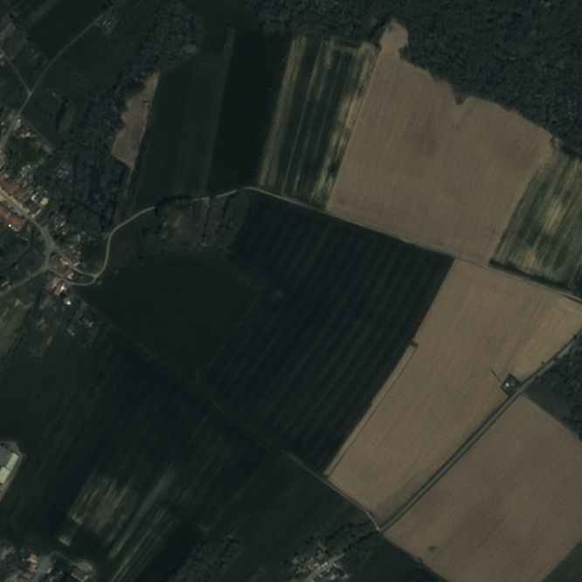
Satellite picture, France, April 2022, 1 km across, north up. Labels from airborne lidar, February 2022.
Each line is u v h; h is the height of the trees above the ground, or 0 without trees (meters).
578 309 0
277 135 0
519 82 7
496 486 0
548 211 0
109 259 0
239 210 17
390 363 0
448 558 0
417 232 0
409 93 0
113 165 17
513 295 0
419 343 0
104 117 18
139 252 0
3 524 0
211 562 24
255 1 12
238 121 0
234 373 0
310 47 0
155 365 0
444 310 0
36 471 0
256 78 0
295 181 0
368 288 0
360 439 0
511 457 0
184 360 0
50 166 0
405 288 0
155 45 25
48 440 0
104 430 0
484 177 0
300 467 0
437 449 0
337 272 0
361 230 0
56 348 0
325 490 0
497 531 0
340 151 0
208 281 0
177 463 0
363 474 0
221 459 0
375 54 0
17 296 0
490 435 0
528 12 27
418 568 0
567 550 0
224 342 0
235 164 0
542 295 0
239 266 0
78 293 0
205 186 0
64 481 0
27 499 0
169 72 0
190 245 0
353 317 0
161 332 0
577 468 0
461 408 0
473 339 0
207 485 0
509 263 0
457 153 0
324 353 0
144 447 0
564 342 0
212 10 0
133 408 0
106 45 0
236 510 0
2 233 0
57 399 0
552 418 0
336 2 12
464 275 0
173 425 0
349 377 0
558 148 0
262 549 0
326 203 0
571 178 0
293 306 0
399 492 0
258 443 0
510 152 0
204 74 0
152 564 0
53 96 0
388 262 0
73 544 0
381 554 0
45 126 0
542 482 0
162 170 0
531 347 0
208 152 0
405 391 0
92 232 0
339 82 0
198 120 0
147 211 0
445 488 0
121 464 0
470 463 0
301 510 0
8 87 0
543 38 22
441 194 0
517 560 0
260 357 0
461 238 0
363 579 0
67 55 0
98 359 0
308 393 0
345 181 0
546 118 30
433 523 0
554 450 0
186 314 0
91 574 0
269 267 0
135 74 23
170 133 0
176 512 0
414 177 0
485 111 0
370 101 0
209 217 6
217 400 0
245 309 0
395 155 0
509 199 0
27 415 0
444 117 0
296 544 0
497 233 0
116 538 0
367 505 0
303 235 0
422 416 0
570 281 0
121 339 0
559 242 0
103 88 0
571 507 0
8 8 0
